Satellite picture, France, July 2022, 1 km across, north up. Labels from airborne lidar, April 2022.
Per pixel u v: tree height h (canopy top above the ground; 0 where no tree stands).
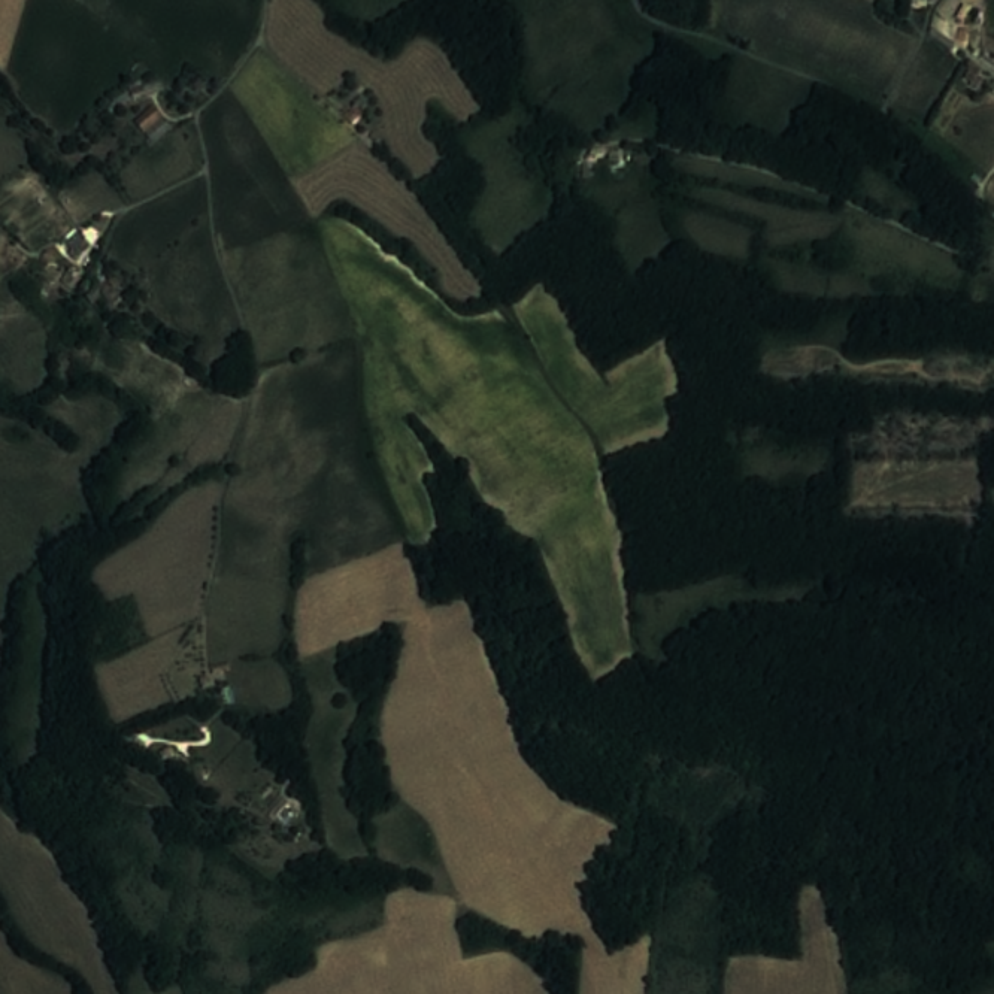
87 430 0
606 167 0
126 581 0
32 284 0
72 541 18
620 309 19
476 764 0
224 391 15
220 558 0
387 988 0
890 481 0
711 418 15
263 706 0
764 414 19
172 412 0
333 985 0
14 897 0
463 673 0
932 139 0
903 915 14
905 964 8
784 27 0
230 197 0
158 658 0
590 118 0
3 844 0
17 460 0
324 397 0
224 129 0
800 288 0
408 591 0
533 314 0
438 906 0
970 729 17
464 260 11
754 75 0
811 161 15
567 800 16
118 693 0
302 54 0
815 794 18
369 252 0
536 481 0
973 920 18
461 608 0
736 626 16
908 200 0
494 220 0
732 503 19
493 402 0
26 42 0
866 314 9
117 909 8
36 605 0
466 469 10
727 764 11
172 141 0
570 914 0
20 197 0
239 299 0
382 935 0
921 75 0
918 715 26
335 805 0
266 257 0
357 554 0
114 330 14
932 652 19
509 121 0
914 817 23
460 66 15
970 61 7
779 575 19
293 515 0
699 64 20
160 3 0
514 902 0
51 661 16
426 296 0
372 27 17
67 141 11
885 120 14
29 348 0
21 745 0
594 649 0
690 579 18
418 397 0
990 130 0
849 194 16
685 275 20
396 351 0
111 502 0
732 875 16
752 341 19
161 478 0
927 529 18
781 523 18
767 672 24
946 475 0
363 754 17
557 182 7
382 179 0
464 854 0
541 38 0
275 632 0
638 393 0
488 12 19
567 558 0
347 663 14
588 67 0
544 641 9
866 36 0
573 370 0
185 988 7
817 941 0
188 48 0
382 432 0
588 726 7
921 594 24
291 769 17
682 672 19
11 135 0
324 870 16
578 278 19
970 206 18
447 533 14
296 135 0
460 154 17
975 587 23
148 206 0
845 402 22
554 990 28
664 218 6
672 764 10
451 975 0
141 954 20
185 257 0
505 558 19
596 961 0
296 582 13
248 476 0
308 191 0
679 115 22
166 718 13
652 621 0
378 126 0
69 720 13
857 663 20
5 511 0
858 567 13
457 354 0
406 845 0
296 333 0
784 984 0
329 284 0
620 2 0
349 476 0
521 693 16
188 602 0
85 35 0
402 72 0
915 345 11
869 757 22
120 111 11
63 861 15
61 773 11
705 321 18
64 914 0
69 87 0
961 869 11
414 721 0
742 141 12
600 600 0
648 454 18
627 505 13
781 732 16
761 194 12
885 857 9
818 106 8
